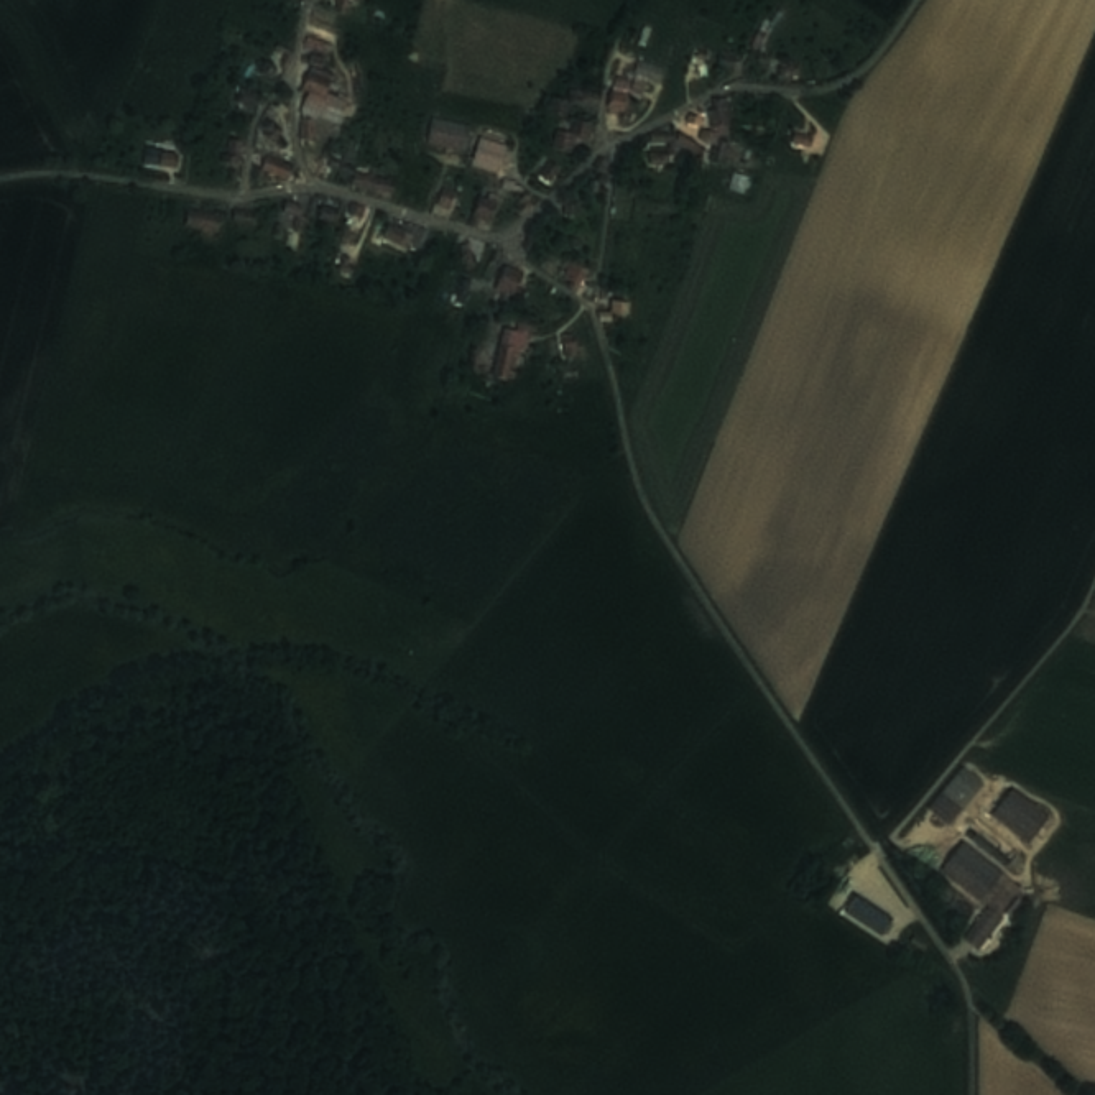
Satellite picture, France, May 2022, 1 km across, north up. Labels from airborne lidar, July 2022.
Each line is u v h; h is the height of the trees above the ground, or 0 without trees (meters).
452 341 0
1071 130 0
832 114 0
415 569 0
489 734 13
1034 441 0
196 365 0
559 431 0
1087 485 0
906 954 19
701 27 0
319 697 0
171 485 0
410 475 0
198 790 16
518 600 0
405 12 0
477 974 0
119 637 0
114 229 0
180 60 0
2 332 0
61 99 0
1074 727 0
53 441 0
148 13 0
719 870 0
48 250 0
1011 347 0
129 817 19
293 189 0
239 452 0
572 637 0
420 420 0
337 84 0
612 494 0
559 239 14
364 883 14
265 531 0
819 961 0
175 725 22
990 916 0
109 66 0
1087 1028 0
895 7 0
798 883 6
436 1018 0
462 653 0
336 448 0
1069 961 0
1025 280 0
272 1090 31
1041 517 0
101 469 0
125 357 0
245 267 12
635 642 0
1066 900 0
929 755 0
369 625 0
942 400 0
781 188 0
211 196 0
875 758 0
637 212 0
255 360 0
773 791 0
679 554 0
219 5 0
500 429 0
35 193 0
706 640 0
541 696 0
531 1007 0
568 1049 0
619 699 0
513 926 0
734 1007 0
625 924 0
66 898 25
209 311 0
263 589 0
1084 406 0
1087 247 0
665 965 0
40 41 0
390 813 0
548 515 0
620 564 0
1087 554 0
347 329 0
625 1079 0
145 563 0
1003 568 0
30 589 0
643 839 0
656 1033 0
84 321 0
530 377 0
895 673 0
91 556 0
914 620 0
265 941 32
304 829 29
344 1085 29
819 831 0
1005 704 0
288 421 0
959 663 0
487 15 0
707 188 0
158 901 32
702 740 0
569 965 0
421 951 9
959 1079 0
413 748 0
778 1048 0
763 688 0
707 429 0
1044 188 0
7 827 15
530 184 6
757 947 0
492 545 0
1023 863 0
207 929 26
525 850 0
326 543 0
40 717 0
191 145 7
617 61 0
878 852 0
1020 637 0
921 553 0
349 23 0
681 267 0
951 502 0
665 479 0
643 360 0
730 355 0
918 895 26
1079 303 0
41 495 0
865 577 0
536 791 0
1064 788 0
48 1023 27
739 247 0
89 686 0
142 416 0
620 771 0
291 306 0
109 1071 26
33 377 0
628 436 0
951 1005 21
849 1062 0
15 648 0
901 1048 0
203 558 0
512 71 0
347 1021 30
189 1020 21
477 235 0
